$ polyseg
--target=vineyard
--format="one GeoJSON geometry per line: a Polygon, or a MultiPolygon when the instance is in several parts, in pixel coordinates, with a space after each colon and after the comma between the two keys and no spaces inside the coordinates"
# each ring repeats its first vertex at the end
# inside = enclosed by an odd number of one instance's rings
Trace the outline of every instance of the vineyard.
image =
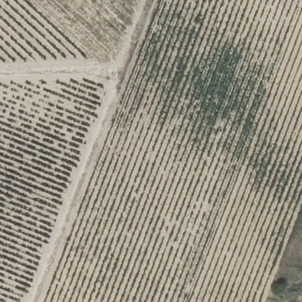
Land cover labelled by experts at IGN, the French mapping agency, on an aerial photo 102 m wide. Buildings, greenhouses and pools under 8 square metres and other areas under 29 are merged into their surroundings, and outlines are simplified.
{"type": "Polygon", "coordinates": [[[20,302],[28,293],[40,263],[39,251],[35,247],[42,247],[48,243],[52,226],[57,223],[58,206],[63,204],[61,192],[66,189],[67,182],[71,183],[68,178],[79,162],[79,146],[86,144],[84,136],[88,126],[96,123],[96,110],[97,106],[100,106],[97,90],[104,85],[87,78],[84,78],[83,83],[75,79],[70,79],[68,83],[55,80],[55,83],[61,85],[59,93],[47,88],[45,80],[40,80],[38,84],[33,84],[29,80],[21,84],[13,80],[7,84],[0,81],[0,302],[20,302]]]}
{"type": "Polygon", "coordinates": [[[124,67],[118,71],[116,94],[119,101],[116,111],[113,113],[70,234],[66,237],[63,251],[42,302],[267,302],[269,295],[273,293],[271,284],[280,269],[285,247],[302,206],[302,0],[0,0],[0,60],[2,63],[9,63],[11,60],[26,61],[29,58],[46,59],[48,54],[57,59],[48,46],[52,46],[63,58],[70,55],[75,58],[81,54],[85,59],[109,63],[116,59],[118,54],[125,60],[124,67]]]}

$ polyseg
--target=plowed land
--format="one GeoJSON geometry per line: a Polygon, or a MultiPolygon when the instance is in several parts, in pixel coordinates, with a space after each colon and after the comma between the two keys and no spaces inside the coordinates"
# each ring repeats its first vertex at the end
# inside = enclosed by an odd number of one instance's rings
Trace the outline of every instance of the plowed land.
{"type": "Polygon", "coordinates": [[[20,302],[42,302],[63,251],[66,237],[70,234],[113,113],[116,111],[119,101],[116,94],[118,71],[124,67],[125,60],[118,54],[116,59],[109,63],[85,59],[81,54],[75,58],[70,55],[63,58],[52,46],[48,46],[57,59],[48,54],[46,59],[29,58],[26,61],[11,60],[9,63],[2,63],[0,60],[0,81],[7,84],[13,80],[21,84],[29,80],[33,84],[38,84],[40,80],[45,80],[47,88],[59,93],[61,85],[55,83],[55,80],[68,83],[70,79],[75,79],[83,83],[84,78],[87,78],[104,85],[97,90],[100,106],[97,106],[96,110],[96,123],[88,126],[84,136],[86,144],[79,146],[79,162],[68,178],[71,183],[67,182],[66,189],[61,192],[63,204],[58,206],[57,223],[52,226],[48,243],[42,247],[35,247],[39,251],[40,263],[28,293],[20,302]]]}

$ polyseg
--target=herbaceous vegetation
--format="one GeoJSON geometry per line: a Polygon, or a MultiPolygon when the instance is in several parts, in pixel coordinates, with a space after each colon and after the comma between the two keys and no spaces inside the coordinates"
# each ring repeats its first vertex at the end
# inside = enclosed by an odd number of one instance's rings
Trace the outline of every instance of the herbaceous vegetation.
{"type": "Polygon", "coordinates": [[[267,302],[302,302],[302,206],[285,247],[280,269],[271,284],[273,293],[269,295],[267,302]]]}

